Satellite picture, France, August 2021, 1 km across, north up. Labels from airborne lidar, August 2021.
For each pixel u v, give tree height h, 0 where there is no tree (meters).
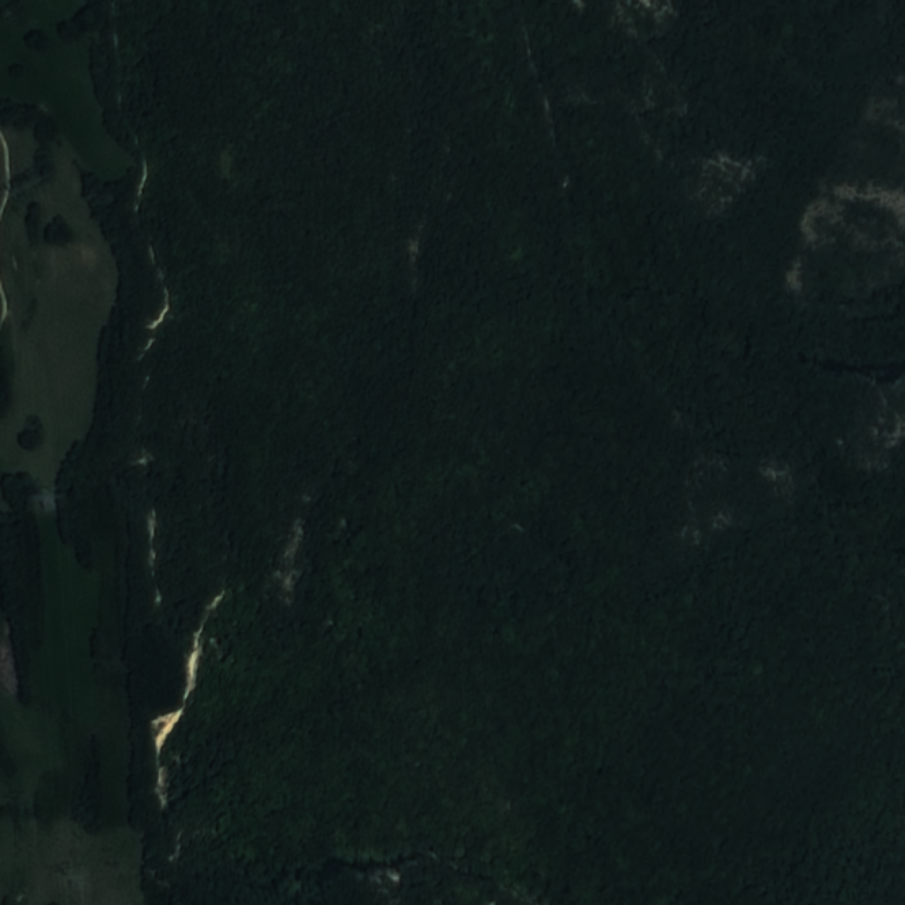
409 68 12
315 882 27
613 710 14
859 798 10
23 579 17
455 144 17
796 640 16
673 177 7
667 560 9
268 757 20
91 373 0
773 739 13
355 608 20
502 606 18
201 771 18
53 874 0
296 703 21
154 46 15
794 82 16
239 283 10
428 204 10
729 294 20
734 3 17
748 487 10
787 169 14
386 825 23
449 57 21
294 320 15
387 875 9
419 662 18
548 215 18
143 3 18
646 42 25
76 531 16
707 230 16
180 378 19
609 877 20
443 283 19
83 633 0
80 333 0
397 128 10
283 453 17
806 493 6
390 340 17
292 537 12
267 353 17
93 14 18
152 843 16
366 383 18
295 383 19
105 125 9
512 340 22
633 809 20
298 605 19
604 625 24
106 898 0
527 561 8
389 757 12
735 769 16
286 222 20
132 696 14
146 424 15
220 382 21
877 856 9
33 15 0
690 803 13
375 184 12
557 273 17
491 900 8
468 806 16
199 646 17
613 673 16
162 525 15
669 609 18
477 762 16
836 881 12
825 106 15
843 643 16
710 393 25
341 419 17
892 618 7
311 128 12
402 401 20
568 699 17
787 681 16
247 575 20
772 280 18
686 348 17
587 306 32
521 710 16
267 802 17
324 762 19
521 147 22
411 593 19
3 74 0
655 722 19
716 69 19
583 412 15
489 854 21
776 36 24
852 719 12
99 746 13
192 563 22
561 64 19
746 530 7
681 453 8
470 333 24
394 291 16
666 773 20
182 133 12
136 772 15
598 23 7
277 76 12
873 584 14
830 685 16
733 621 11
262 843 26
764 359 25
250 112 12
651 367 21
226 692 21
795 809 17
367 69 9
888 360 18
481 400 21
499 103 18
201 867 24
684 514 7
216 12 12
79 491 23
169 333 13
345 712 17
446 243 16
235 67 16
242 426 18
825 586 20
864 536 17
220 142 10
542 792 19
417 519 19
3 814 12
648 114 17
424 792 16
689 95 18
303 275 17
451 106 16
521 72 12
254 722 20
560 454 18
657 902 23
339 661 22
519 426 22
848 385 6
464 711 17
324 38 13
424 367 26
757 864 19
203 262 10
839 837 14
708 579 20
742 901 20
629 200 17
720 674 16
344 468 25
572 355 16
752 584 16
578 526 21
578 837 19
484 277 18
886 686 11
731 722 15
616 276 25
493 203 17
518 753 16
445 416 18
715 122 18
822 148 15
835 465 7
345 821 24
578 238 25
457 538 16
